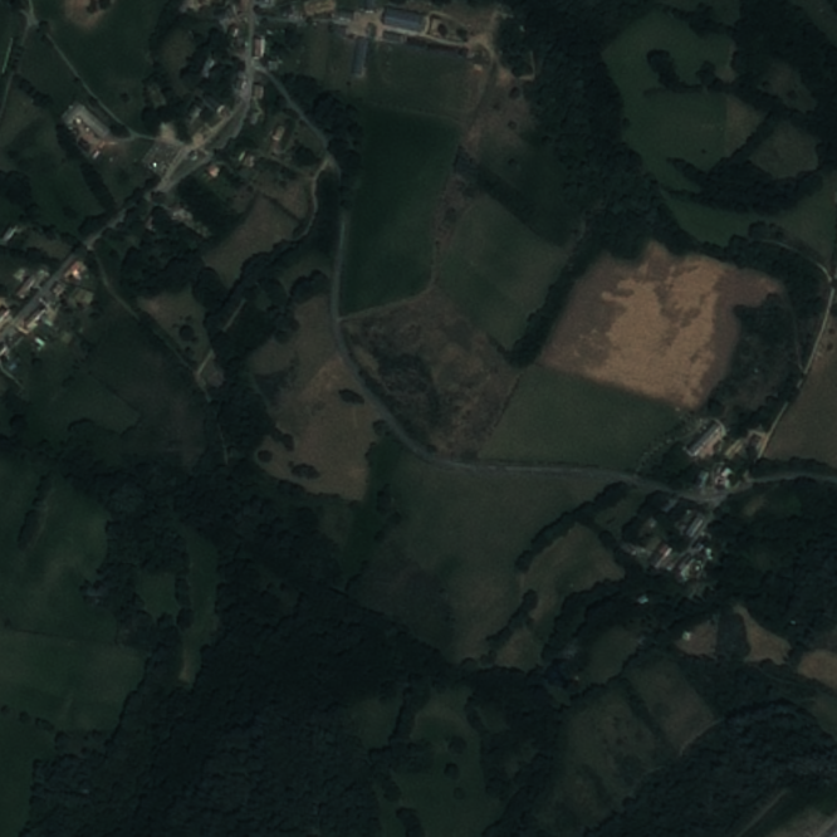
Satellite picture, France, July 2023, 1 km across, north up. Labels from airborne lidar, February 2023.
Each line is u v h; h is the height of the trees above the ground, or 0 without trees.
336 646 16
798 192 18
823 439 0
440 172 0
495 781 13
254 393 17
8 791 0
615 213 13
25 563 0
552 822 0
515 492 0
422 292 0
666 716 0
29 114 0
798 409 0
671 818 6
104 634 0
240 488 9
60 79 0
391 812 0
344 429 0
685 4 0
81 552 0
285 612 0
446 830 0
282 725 11
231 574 17
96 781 8
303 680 15
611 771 0
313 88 23
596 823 0
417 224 0
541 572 0
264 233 0
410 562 0
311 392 0
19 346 0
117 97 0
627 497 14
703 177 18
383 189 0
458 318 0
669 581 9
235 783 24
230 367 15
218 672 20
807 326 0
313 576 14
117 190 0
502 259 0
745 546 16
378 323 0
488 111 0
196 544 0
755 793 12
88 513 0
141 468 15
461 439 0
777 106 15
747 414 7
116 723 0
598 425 0
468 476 0
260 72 0
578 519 13
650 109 0
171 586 0
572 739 0
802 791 6
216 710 16
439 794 0
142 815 18
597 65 25
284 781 14
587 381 0
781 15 18
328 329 0
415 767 7
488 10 0
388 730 0
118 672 0
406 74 0
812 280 11
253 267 20
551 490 0
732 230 0
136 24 0
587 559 0
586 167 15
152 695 25
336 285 0
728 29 9
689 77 0
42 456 13
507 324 0
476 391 0
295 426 0
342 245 0
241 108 0
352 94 0
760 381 0
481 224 0
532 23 16
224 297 11
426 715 0
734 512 6
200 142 0
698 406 0
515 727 6
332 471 0
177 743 20
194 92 17
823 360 0
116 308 0
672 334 0
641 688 0
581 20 13
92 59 0
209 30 0
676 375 0
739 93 9
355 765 20
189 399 0
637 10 17
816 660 0
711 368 0
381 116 0
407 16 0
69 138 19
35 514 11
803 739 14
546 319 8
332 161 0
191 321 12
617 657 0
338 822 14
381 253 0
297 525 8
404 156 0
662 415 0
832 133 16
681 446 6
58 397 0
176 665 24
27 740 0
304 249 18
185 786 11
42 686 0
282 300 18
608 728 0
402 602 0
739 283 0
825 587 12
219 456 13
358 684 18
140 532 16
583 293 0
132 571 14
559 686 15
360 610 18
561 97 10
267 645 14
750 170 17
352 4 0
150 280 13
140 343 0
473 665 15
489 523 0
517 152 0
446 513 0
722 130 0
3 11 0
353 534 0
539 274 0
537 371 0
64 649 0
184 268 23
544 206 0
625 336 0
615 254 11
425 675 7
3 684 0
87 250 21
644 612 15
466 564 0
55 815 12
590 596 14
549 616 0
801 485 19
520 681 22
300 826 6
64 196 0
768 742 10
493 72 0
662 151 0
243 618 11
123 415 0
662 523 14
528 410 0
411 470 0
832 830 0
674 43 0
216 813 18
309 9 0
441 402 0
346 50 0
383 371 0
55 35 0
